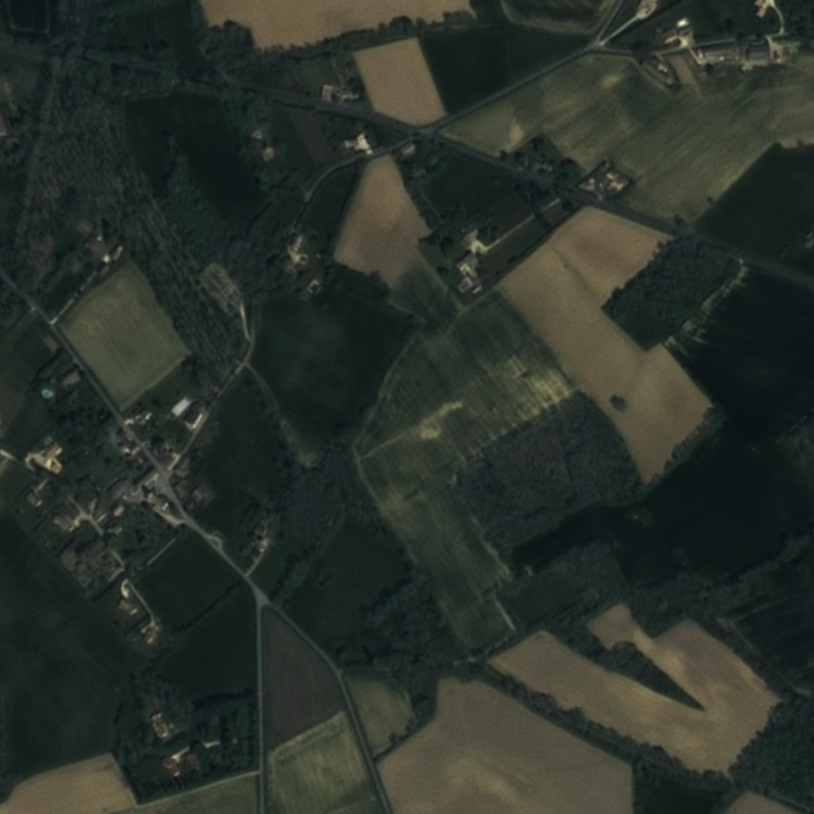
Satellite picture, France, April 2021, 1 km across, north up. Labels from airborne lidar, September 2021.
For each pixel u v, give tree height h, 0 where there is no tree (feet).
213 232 18
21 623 0
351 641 0
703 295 53
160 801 51
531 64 0
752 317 0
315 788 0
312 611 0
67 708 0
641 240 0
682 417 0
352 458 27
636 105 0
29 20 0
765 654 0
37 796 0
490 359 0
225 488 0
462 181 0
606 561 58
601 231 0
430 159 48
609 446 70
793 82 0
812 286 0
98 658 0
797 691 0
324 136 28
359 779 0
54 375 29
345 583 0
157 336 0
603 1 0
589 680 0
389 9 0
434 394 0
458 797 0
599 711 0
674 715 0
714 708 0
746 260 0
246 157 34
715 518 0
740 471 0
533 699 46
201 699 0
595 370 0
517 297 0
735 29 63
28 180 87
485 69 0
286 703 0
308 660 0
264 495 0
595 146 0
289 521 72
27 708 0
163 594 0
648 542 0
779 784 52
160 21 0
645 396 0
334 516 67
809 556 0
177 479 29
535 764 0
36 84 0
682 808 0
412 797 0
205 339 94
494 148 0
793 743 91
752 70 0
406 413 0
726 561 0
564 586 0
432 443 0
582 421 53
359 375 0
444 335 0
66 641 0
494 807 0
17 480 0
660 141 0
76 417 38
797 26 24
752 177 0
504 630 0
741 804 0
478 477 48
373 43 36
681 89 0
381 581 0
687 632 0
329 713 0
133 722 0
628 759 26
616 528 0
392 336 0
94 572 21
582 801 0
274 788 0
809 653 0
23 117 58
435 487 0
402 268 0
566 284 0
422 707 58
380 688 0
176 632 39
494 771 0
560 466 30
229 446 0
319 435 0
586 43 0
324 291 0
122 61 67
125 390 0
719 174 0
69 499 68
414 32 53
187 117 0
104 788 0
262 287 57
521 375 0
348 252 0
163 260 91
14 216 0
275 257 25
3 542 0
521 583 52
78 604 0
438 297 0
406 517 0
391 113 0
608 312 21
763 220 0
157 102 0
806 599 0
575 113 0
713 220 0
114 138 75
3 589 0
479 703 0
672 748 0
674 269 52
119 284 0
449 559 0
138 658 0
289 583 63
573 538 0
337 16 0
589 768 0
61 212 40
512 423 0
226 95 67
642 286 36
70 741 0
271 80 37
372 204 0
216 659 0
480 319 0
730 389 0
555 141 0
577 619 35
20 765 0
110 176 94
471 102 0
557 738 0
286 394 0
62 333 0
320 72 0
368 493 0
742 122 0
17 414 0
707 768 0
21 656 0
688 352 0
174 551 0
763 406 0
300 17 0
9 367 0
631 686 0
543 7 0
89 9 51
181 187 37
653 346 0
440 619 52
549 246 0
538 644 0
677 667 0
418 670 82
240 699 35
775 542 0
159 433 0
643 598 48
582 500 62
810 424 34
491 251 0
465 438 0
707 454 0
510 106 0
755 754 60
